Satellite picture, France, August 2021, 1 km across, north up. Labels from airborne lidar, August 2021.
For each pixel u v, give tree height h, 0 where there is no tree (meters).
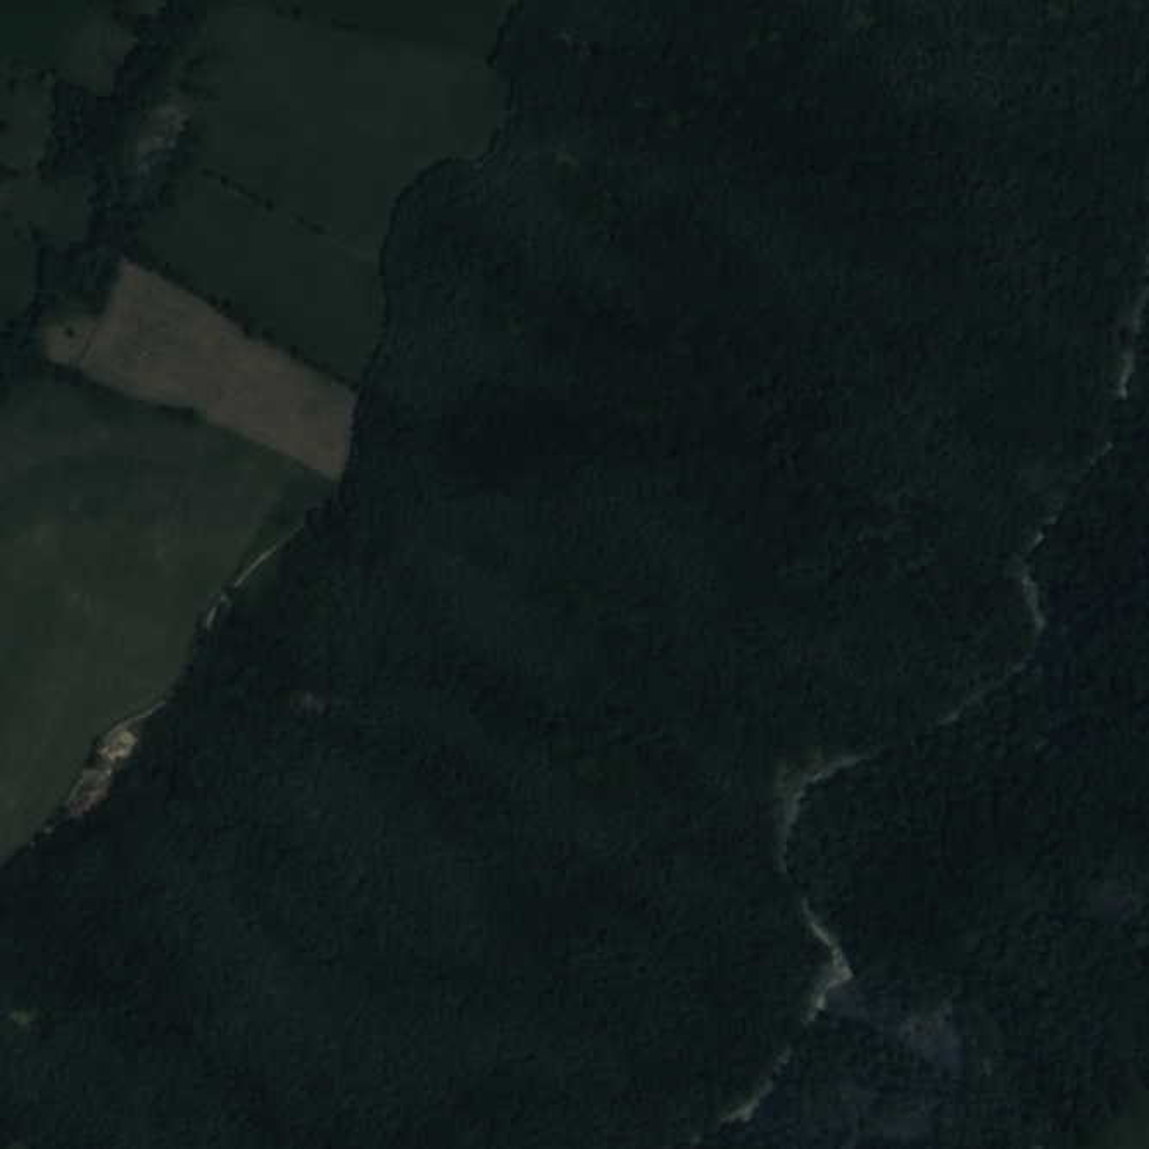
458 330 12
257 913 12
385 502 11
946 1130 7
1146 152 21
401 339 9
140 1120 13
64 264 17
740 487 24
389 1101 19
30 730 0
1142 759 20
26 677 0
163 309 0
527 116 14
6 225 0
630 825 15
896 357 25
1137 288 11
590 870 17
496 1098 24
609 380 22
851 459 22
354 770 10
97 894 19
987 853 32
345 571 10
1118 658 24
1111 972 20
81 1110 16
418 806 21
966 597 24
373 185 0
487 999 19
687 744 15
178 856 15
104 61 0
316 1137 16
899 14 14
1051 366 25
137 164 0
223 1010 15
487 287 21
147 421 0
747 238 21
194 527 0
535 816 21
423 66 0
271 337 14
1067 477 21
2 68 0
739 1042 17
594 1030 18
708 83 29
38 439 0
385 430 17
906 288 17
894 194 24
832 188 27
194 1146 17
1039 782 22
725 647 19
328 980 16
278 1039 15
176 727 10
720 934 15
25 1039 13
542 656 13
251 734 10
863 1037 21
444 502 12
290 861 21
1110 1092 12
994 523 24
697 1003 18
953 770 22
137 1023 26
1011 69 19
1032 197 23
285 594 9
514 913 19
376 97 0
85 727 0
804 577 21
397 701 18
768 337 20
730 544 20
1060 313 16
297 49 0
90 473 0
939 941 31
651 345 33
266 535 0
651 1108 11
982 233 17
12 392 21
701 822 17
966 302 20
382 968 16
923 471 18
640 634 14
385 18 0
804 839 14
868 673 22
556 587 24
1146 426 17
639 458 27
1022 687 21
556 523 15
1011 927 17
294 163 0
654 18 17
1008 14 15
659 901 20
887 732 17
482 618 18
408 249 15
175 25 25
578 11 13
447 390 16
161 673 0
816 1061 15
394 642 15
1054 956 11
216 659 16
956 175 18
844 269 20
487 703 23
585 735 25
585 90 17
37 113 0
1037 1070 17
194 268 0
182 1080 14
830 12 7
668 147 27
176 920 17
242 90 0
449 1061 16
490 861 15
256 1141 12
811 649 22
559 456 33
